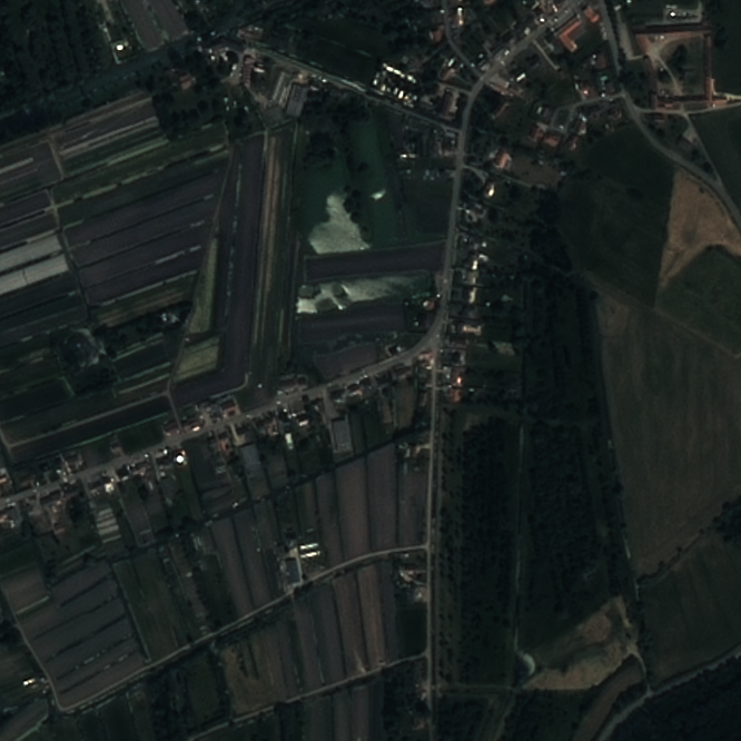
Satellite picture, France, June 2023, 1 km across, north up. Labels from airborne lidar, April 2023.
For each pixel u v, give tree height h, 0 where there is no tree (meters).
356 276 0
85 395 9
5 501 0
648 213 0
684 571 0
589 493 11
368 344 0
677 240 0
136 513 0
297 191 0
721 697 23
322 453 0
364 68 0
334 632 0
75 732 0
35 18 13
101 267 0
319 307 0
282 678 0
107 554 0
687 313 0
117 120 0
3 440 0
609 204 0
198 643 0
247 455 0
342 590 0
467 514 9
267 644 0
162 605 0
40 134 0
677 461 0
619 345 0
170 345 0
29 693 0
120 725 0
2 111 12
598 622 0
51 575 11
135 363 0
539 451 9
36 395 0
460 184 0
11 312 0
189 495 0
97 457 0
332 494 0
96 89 0
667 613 0
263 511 0
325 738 0
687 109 0
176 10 0
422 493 0
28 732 0
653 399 0
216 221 0
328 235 0
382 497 0
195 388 0
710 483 0
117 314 0
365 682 6
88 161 0
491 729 0
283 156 0
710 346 0
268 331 0
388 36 11
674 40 0
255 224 0
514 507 0
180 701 0
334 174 0
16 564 0
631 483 0
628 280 0
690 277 0
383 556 0
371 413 0
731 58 0
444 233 0
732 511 7
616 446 0
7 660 0
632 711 0
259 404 0
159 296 0
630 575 0
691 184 0
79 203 0
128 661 0
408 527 0
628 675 0
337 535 0
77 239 0
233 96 0
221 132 0
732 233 0
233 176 0
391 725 17
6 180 0
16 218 0
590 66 0
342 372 0
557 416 10
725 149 0
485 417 0
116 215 0
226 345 0
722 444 0
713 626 0
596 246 0
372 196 0
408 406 0
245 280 0
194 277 0
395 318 0
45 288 0
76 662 0
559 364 12
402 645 0
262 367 0
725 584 0
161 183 0
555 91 0
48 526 0
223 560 0
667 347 0
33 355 0
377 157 0
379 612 0
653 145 0
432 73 8
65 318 0
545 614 0
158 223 0
